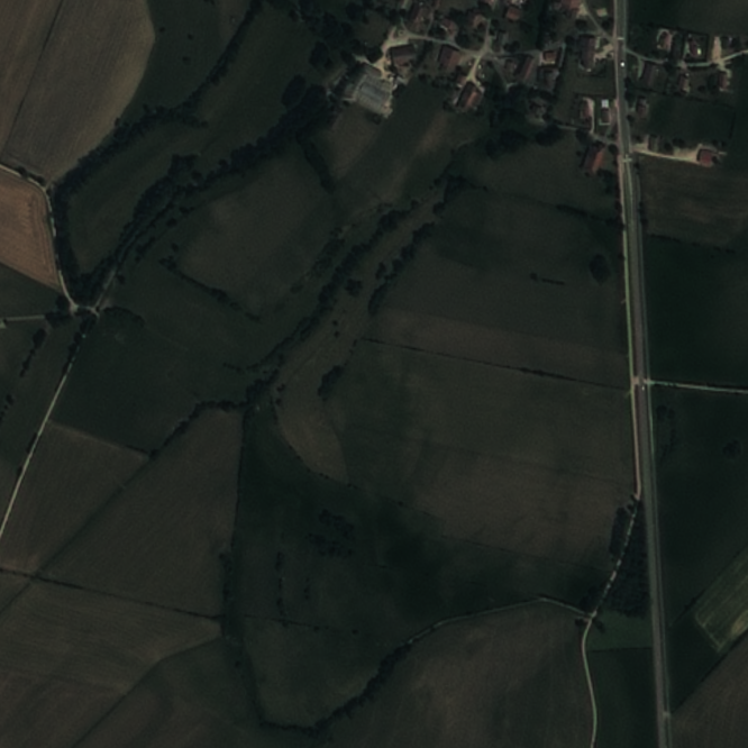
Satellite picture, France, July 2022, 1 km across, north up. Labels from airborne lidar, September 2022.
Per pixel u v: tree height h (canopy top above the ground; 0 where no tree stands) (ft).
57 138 0
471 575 0
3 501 0
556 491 0
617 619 0
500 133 0
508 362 0
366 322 0
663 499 0
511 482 0
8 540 0
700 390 0
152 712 0
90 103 0
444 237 0
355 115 0
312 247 0
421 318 0
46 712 0
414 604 0
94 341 0
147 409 0
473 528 0
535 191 0
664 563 0
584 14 0
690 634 0
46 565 0
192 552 0
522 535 0
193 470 0
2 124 0
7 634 0
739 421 0
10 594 0
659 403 0
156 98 0
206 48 0
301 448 0
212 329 0
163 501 0
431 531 0
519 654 0
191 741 0
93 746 0
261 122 0
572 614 0
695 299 0
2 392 0
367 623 0
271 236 0
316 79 0
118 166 0
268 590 0
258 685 0
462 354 0
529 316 0
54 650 0
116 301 0
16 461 0
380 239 23
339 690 0
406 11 29
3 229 0
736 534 0
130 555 0
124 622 0
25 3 0
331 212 0
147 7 0
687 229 0
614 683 0
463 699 0
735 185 0
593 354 0
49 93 0
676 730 0
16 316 0
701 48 0
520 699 0
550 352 0
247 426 24
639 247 0
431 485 0
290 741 0
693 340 0
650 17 0
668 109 0
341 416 0
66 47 0
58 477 0
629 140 0
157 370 0
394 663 32
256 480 0
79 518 0
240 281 0
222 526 0
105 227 0
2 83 0
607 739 0
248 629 0
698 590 0
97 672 0
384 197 0
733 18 0
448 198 30
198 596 0
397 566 0
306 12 49
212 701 0
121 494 0
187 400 0
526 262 0
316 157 70
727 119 0
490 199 0
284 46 0
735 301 0
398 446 0
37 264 0
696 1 0
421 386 0
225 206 0
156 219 34
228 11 0
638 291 0
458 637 0
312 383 0
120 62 0
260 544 0
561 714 0
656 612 0
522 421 0
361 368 0
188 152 0
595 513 0
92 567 0
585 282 0
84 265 0
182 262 0
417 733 0
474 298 0
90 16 0
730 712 0
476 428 0
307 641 0
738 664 0
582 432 0
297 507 0
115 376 0
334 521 27
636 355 0
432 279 0
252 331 0
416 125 0
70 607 0
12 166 0
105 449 0
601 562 0
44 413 0
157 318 0
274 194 0
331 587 0
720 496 0
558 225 0
